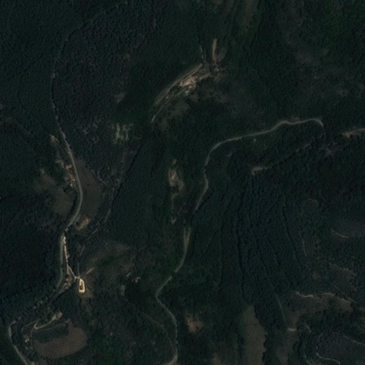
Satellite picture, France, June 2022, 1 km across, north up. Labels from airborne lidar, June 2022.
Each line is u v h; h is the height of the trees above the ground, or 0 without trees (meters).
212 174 17
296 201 9
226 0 9
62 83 24
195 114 15
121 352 7
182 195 0
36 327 0
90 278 0
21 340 13
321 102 10
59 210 0
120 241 21
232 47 18
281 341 0
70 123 15
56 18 29
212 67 9
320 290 16
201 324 0
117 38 19
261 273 37
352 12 16
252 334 0
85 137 19
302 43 0
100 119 9
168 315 0
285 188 13
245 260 32
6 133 27
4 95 26
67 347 0
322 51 0
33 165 12
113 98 13
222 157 20
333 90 0
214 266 11
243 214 29
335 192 6
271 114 20
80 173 0
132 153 0
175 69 9
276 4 15
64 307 18
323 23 8
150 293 22
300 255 18
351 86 14
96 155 14
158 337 7
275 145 14
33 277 18
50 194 7
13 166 31
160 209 11
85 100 16
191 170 9
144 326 8
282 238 33
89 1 19
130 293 20
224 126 25
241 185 21
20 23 18
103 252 0
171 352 8
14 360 14
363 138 15
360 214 10
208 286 24
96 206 0
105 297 14
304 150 14
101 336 10
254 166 6
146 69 14
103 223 15
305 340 15
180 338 16
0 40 34
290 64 7
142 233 20
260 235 28
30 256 13
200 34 16
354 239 11
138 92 20
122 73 12
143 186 27
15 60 17
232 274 21
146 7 15
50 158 12
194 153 20
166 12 15
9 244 16
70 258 11
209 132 20
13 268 22
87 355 17
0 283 20
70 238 7
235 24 15
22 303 30
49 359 13
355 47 16
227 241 23
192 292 19
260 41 18
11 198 27
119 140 11
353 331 15
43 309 17
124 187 25
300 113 14
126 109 14
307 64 8
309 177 12
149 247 10
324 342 10
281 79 20
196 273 12
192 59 7
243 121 12
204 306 12
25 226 12
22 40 17
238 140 7
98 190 0
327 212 9
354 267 14
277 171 21
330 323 23
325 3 10
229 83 7
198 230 17
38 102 24
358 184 12
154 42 12
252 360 0
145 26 18
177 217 7
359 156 10
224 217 19
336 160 12
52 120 19
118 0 20
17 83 22
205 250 14
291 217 18
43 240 10
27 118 18
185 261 7
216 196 25
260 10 14
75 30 14
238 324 15
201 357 13
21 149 28
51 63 25
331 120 20
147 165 28
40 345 0
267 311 22
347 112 7
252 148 11
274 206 27
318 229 5
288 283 13
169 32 17
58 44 24
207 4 10
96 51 20
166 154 28
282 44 14
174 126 20
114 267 0
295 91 16
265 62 20
